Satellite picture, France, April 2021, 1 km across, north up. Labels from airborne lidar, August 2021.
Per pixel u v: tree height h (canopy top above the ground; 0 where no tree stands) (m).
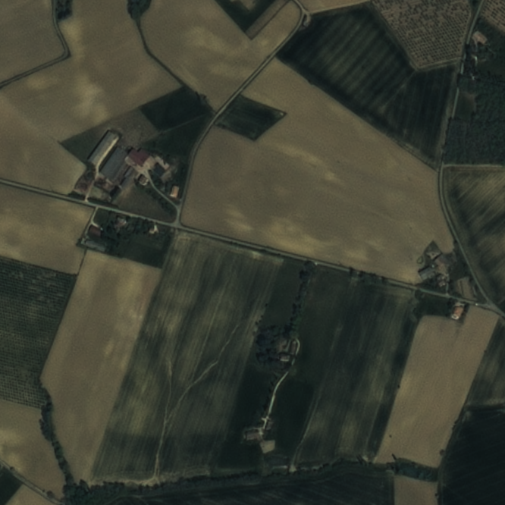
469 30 0
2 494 0
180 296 0
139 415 0
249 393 0
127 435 0
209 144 0
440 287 9
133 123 0
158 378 0
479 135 11
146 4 24
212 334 0
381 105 0
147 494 14
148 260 0
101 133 0
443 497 0
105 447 0
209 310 0
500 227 0
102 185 0
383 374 0
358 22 0
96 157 0
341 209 0
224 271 0
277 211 0
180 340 0
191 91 0
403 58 0
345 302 0
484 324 0
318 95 0
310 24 0
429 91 0
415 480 0
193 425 0
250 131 0
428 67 0
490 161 15
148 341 0
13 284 5
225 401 0
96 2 0
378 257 0
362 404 0
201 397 0
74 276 7
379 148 0
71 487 18
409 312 0
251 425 7
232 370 0
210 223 0
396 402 0
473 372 0
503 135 14
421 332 0
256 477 17
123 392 0
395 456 0
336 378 0
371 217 0
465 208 0
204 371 0
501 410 0
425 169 0
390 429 0
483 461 0
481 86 18
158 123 0
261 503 0
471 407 0
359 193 0
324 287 0
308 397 0
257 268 0
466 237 0
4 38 0
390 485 0
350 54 0
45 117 0
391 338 0
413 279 0
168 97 0
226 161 0
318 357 0
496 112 14
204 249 0
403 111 0
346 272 0
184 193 0
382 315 0
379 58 0
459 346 0
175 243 0
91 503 17
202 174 0
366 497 0
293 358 14
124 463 0
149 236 10
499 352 0
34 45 0
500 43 0
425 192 0
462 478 0
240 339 0
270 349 22
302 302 12
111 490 14
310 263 14
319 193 0
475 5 12
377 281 18
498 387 0
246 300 0
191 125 0
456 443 0
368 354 0
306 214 0
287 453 0
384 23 0
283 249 0
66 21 0
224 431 0
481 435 0
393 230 0
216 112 0
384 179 0
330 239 0
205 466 0
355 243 0
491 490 0
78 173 0
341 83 0
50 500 12
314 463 0
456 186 0
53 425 30
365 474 0
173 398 0
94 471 0
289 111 0
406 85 0
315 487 0
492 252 0
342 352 0
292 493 0
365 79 0
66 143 0
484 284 0
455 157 15
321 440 0
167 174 0
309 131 0
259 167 0
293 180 0
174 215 10
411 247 0
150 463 0
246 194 0
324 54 0
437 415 0
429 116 0
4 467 0
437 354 0
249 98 0
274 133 0
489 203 0
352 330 0
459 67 0
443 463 0
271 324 0
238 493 0
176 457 0
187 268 0
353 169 0
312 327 0
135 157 0
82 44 0
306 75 0
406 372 0
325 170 0
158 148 11
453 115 0
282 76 0
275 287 0
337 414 0
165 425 0
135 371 0
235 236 0
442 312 0
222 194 0
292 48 0
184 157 0
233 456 0
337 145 0
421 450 0
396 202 0
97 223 0
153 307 0
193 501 0
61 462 23
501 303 0
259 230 0
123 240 12
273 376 0
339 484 0
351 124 0
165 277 0
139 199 0
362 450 0
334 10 0
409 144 0
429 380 0
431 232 0
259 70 0
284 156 0
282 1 0
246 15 0
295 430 0
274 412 0
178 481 0
